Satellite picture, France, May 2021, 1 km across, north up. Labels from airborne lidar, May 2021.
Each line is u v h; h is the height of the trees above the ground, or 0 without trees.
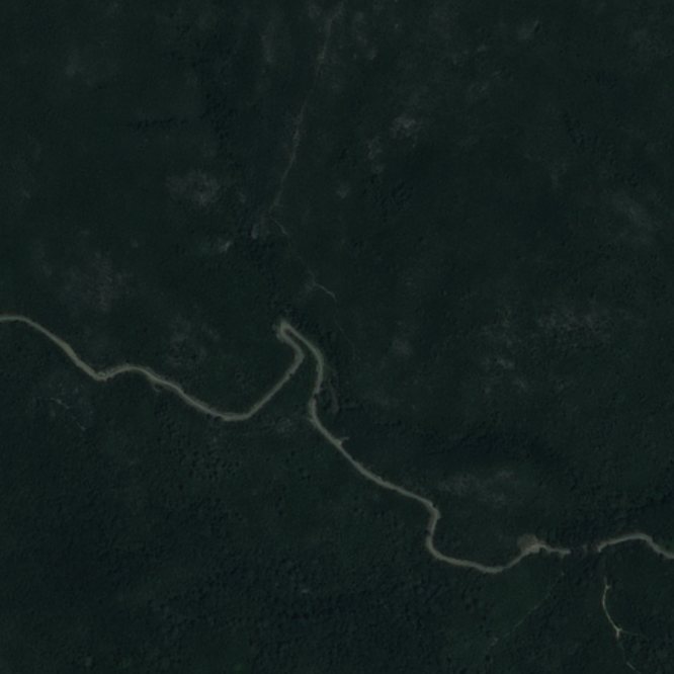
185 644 10
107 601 15
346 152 14
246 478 9
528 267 5
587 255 8
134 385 7
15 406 6
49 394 5
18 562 13
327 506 9
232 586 13
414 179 6
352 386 6
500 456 9
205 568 9
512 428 7
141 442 8
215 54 9
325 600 14
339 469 6
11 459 10
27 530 13
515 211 6
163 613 10
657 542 15
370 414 12
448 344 10
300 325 14
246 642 8
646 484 6
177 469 9
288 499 7
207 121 13
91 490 10
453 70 7
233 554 10
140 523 8
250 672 8
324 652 10
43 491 11
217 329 6
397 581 10
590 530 14
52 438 9
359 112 11
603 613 6
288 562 20
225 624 13
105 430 6
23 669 9
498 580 6
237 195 12
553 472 8
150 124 15
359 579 11
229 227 8
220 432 8
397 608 16
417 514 7
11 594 8
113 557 10
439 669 12
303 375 6
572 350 9
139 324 8
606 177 7
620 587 11
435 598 18
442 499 6
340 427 10
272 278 8
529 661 15
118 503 8
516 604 6
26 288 6
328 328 7
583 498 12
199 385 6
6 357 8
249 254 10
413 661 20
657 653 16
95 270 0
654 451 8
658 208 5
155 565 12
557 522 6
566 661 11
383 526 6
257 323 5
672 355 7
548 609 9
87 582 21
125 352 7
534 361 8
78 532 16
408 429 11
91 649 16
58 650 9
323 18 0
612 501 13
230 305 6
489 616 11
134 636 16
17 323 12
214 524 18
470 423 6
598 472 8
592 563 11
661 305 9
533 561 6
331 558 13
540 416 7
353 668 6
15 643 8
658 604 7
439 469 7
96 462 15
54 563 14
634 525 11
